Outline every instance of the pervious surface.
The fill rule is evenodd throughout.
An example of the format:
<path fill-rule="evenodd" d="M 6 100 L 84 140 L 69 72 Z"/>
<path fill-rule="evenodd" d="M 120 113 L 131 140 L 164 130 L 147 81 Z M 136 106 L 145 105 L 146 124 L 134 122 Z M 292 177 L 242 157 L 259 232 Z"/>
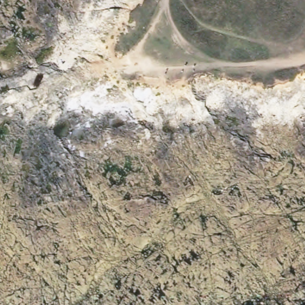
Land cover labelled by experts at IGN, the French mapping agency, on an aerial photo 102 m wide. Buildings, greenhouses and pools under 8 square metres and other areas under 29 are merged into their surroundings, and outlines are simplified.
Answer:
<path fill-rule="evenodd" d="M 204 30 L 267 46 L 269 60 L 224 62 L 203 54 L 182 37 L 170 13 L 169 0 L 162 0 L 141 41 L 126 55 L 114 49 L 102 58 L 99 58 L 100 54 L 95 54 L 89 63 L 80 62 L 79 67 L 86 79 L 108 75 L 108 81 L 116 81 L 114 86 L 119 87 L 119 93 L 125 93 L 130 89 L 122 74 L 141 75 L 148 82 L 145 88 L 156 89 L 166 88 L 180 79 L 187 79 L 187 74 L 193 69 L 230 67 L 238 73 L 243 67 L 248 67 L 251 71 L 262 71 L 305 64 L 305 27 L 298 35 L 286 39 L 284 43 L 276 43 L 263 37 L 237 35 L 232 31 L 230 24 L 216 27 L 200 21 L 198 26 Z"/>

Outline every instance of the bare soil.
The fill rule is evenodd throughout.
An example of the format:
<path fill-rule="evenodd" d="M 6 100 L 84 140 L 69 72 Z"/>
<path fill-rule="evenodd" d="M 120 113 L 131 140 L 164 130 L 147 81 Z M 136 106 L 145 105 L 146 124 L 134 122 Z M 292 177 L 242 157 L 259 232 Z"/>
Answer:
<path fill-rule="evenodd" d="M 251 71 L 248 67 L 243 67 L 238 73 L 230 67 L 193 69 L 187 74 L 187 79 L 180 79 L 166 88 L 156 89 L 145 88 L 148 82 L 141 75 L 122 74 L 130 89 L 125 93 L 119 93 L 119 87 L 114 86 L 116 81 L 108 81 L 108 75 L 86 79 L 79 67 L 80 62 L 89 63 L 95 54 L 100 54 L 99 58 L 102 58 L 114 49 L 120 33 L 129 32 L 127 26 L 136 26 L 136 21 L 129 21 L 130 11 L 144 0 L 0 0 L 0 305 L 305 305 L 305 64 L 262 71 Z"/>

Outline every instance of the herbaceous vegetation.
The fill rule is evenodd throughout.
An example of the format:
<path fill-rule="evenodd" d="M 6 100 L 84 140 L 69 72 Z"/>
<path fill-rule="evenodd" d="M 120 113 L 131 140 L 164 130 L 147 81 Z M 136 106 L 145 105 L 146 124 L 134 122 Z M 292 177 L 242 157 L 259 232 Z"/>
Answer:
<path fill-rule="evenodd" d="M 286 39 L 298 35 L 305 27 L 305 0 L 169 0 L 170 13 L 182 37 L 203 54 L 224 62 L 269 60 L 267 46 L 204 30 L 198 26 L 200 21 L 216 27 L 230 24 L 232 31 L 237 35 L 263 37 L 276 43 L 284 43 Z"/>
<path fill-rule="evenodd" d="M 129 32 L 120 33 L 114 49 L 126 55 L 141 41 L 162 0 L 144 0 L 130 11 L 129 21 L 136 21 L 136 26 L 127 26 Z"/>

